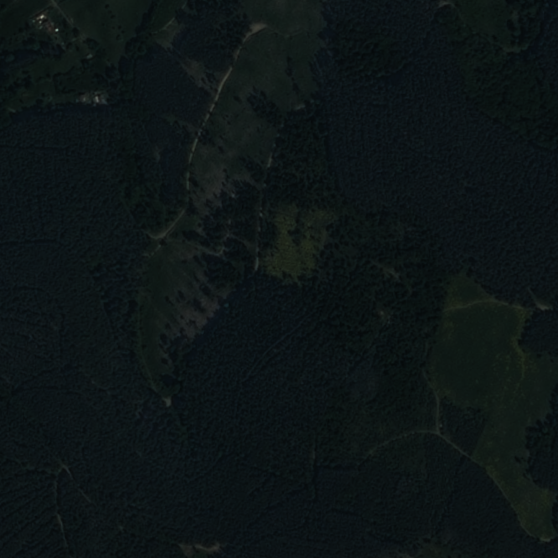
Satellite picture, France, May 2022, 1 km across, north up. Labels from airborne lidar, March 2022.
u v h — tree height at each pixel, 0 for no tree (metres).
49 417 23
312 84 0
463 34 10
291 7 0
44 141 25
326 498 25
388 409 10
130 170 18
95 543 15
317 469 20
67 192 19
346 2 29
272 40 0
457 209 24
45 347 24
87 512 16
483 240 24
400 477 12
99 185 29
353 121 28
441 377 0
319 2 0
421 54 22
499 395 0
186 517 20
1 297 23
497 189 25
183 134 11
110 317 27
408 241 15
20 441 17
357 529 23
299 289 15
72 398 27
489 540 15
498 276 27
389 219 17
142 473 28
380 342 11
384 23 29
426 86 28
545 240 24
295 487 17
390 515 10
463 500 15
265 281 18
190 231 0
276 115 12
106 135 23
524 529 11
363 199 24
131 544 18
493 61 17
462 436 7
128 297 29
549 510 0
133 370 31
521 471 0
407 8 22
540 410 0
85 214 28
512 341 0
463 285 0
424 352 7
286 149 11
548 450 15
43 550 19
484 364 0
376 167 25
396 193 25
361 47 21
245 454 13
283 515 24
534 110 25
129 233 30
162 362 0
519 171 32
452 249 24
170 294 0
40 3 0
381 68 23
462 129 25
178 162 22
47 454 19
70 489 19
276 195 13
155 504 26
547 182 31
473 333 0
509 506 15
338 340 15
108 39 0
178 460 31
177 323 0
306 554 25
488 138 26
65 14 0
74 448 25
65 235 26
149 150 29
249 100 0
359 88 22
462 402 0
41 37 0
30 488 15
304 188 12
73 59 0
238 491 17
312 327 14
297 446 14
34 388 26
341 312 15
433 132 26
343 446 8
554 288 29
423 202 25
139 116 22
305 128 16
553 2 25
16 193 26
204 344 21
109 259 24
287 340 23
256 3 0
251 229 14
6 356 26
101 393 25
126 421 29
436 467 7
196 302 0
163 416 33
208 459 22
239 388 24
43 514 16
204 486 21
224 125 0
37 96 0
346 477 20
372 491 9
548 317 19
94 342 27
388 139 29
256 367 19
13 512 15
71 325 24
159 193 0
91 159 28
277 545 25
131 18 0
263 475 16
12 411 19
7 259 26
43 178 25
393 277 11
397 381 14
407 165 25
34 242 26
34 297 22
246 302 18
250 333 19
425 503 9
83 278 22
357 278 14
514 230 27
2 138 28
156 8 9
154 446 29
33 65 9
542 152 29
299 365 18
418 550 15
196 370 22
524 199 27
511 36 0
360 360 19
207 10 20
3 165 27
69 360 26
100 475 23
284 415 17
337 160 23
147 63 22
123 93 17
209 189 0
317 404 16
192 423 21
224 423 20
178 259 0
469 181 25
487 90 19
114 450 31
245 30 18
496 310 0
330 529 26
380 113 26
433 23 24
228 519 19
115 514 20
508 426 0
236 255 14
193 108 21
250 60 0
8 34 0
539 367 0
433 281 14
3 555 19
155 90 21
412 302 13
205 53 19
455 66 23
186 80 20
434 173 23
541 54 28
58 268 26
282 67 0
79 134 27
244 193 19
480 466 11
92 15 0
